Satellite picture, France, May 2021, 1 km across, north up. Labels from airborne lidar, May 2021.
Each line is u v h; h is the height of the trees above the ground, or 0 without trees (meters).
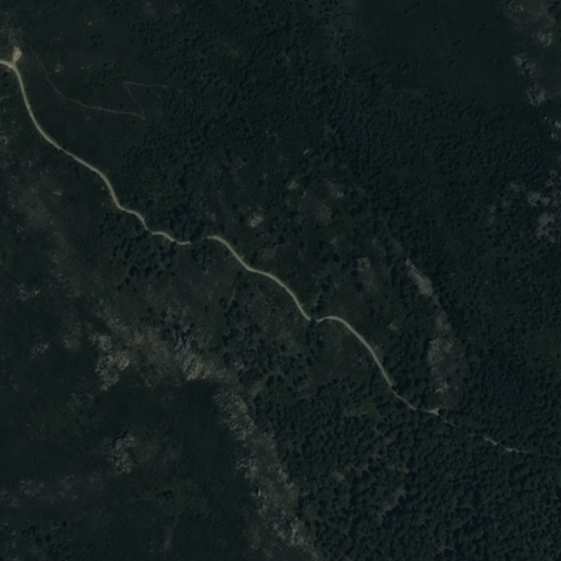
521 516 19
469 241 8
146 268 21
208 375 0
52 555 9
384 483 9
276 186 13
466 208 7
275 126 7
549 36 0
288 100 18
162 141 15
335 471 13
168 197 13
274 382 29
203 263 12
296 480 16
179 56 14
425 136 8
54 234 0
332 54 0
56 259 0
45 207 0
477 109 7
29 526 6
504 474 21
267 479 0
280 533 0
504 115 7
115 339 0
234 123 7
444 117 15
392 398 9
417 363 37
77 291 0
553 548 20
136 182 9
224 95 15
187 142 13
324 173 7
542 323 14
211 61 12
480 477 25
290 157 6
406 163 13
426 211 7
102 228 15
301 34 19
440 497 12
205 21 9
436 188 7
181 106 12
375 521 30
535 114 8
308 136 8
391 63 17
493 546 27
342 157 27
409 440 29
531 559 20
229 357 13
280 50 21
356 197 31
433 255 9
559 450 19
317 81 15
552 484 27
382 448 13
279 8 21
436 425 24
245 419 0
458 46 11
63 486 0
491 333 13
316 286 18
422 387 39
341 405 27
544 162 11
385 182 6
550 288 12
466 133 13
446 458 28
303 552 0
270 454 0
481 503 30
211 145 6
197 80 14
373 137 9
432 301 12
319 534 21
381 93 16
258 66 23
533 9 0
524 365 13
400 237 7
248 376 12
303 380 18
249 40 11
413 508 17
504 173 11
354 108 15
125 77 6
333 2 15
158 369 0
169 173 16
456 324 21
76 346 0
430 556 30
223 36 10
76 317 0
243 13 14
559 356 12
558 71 0
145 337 0
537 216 6
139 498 6
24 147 27
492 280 6
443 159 14
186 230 34
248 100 15
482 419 13
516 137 12
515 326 11
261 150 6
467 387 8
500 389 18
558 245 9
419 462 27
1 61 0
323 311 21
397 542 32
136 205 6
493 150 13
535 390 23
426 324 10
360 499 26
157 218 15
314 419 13
